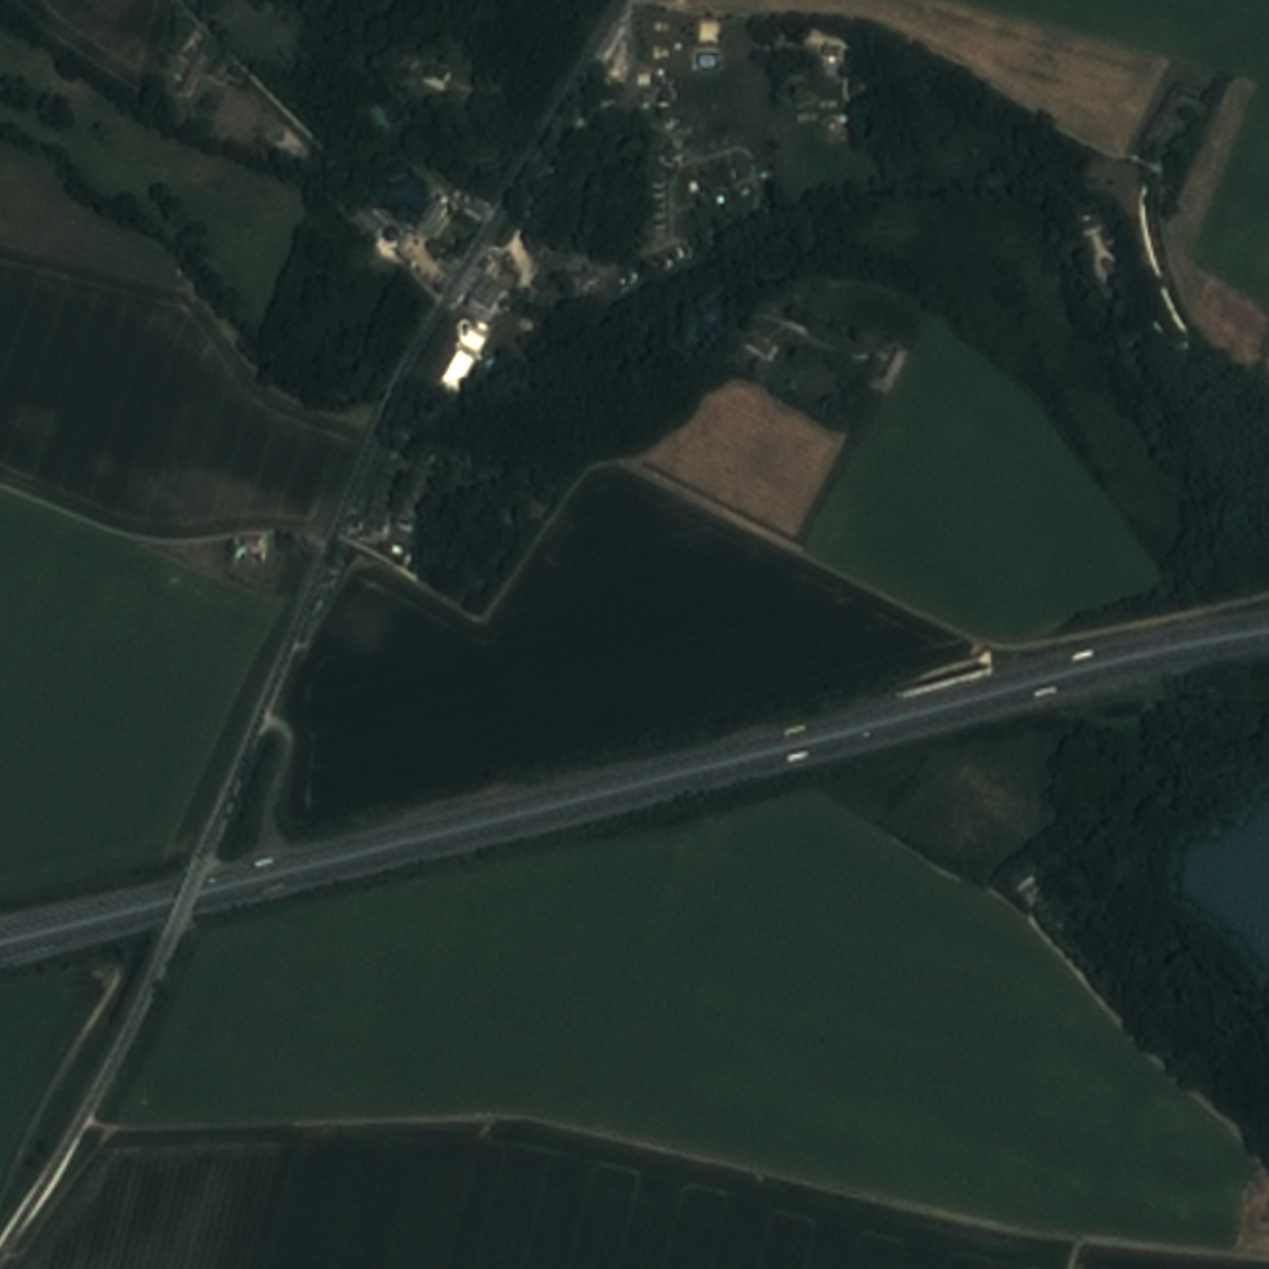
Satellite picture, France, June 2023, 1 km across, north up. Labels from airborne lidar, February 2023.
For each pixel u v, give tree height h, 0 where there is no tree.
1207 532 18
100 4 0
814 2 0
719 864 0
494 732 0
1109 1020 0
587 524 0
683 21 0
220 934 0
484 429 24
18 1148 0
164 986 10
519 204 21
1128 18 0
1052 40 0
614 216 24
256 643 0
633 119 21
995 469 0
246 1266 0
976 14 0
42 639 0
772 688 0
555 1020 0
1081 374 0
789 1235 0
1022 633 0
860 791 0
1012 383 0
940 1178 0
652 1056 0
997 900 0
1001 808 0
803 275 21
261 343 11
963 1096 0
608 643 0
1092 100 0
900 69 22
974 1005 0
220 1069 0
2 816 0
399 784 0
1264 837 0
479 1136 0
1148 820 22
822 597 0
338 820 8
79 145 0
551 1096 0
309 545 16
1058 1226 0
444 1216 0
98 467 0
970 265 0
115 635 0
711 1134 0
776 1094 0
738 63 0
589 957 0
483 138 9
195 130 18
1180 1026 14
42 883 0
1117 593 0
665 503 0
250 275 0
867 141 17
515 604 0
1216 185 0
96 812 0
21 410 0
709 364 14
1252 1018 7
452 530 7
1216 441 20
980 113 13
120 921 0
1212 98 9
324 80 12
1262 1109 8
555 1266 0
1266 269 0
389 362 11
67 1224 0
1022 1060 0
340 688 0
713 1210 0
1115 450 0
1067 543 0
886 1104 0
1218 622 0
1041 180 18
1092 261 19
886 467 0
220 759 0
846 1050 0
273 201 0
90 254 0
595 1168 0
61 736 0
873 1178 0
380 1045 0
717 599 0
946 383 0
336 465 0
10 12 21
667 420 16
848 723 0
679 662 0
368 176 13
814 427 0
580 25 13
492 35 24
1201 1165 0
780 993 0
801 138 0
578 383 35
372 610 0
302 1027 0
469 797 0
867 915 0
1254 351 0
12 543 0
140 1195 0
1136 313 22
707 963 0
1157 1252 0
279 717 0
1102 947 17
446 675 0
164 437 0
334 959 0
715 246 12
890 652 0
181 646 0
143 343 0
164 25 0
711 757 0
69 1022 0
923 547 0
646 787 0
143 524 0
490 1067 0
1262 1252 0
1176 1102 0
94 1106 0
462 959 0
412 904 0
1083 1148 0
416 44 8
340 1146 0
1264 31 0
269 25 0
